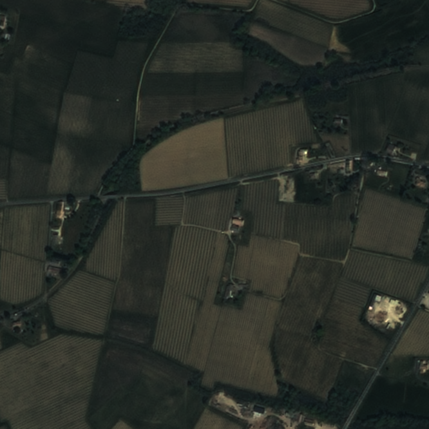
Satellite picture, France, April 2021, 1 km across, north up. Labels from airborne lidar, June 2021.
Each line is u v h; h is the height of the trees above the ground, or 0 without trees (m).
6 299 0
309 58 0
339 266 0
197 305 0
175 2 21
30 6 0
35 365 0
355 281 0
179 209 0
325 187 0
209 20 0
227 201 0
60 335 0
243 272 0
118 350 0
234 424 0
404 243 0
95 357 0
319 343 0
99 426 0
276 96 21
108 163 0
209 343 0
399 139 0
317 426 0
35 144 0
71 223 0
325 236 0
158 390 0
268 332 0
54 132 0
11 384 0
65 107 0
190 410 0
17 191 0
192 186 0
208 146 0
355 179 11
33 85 0
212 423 0
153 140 17
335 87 20
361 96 0
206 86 0
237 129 0
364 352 0
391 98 0
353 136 0
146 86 0
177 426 0
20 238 0
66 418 0
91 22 0
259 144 0
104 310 0
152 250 0
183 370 0
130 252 0
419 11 0
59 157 0
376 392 0
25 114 0
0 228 0
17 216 0
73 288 0
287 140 0
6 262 0
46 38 0
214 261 0
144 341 0
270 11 0
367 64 12
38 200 0
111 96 0
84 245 13
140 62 0
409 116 0
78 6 0
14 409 0
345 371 0
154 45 0
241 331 0
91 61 0
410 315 0
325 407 19
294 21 0
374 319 0
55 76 0
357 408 0
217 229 0
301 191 0
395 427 9
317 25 0
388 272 0
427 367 0
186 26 0
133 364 0
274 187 0
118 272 0
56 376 0
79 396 0
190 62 0
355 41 0
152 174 0
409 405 0
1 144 0
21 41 0
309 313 0
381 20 0
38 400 0
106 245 0
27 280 0
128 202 0
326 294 0
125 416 0
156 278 0
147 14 9
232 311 0
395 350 0
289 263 0
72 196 11
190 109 0
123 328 0
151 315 0
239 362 0
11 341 0
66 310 0
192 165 0
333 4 0
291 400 19
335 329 0
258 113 0
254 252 0
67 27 0
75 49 0
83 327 0
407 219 0
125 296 0
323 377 0
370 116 0
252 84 0
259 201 0
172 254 0
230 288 0
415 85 0
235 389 13
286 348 0
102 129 0
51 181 0
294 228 0
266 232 0
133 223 0
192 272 0
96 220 16
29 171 0
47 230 0
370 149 0
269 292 0
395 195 0
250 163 0
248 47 7
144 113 0
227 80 0
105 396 0
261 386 0
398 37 0
